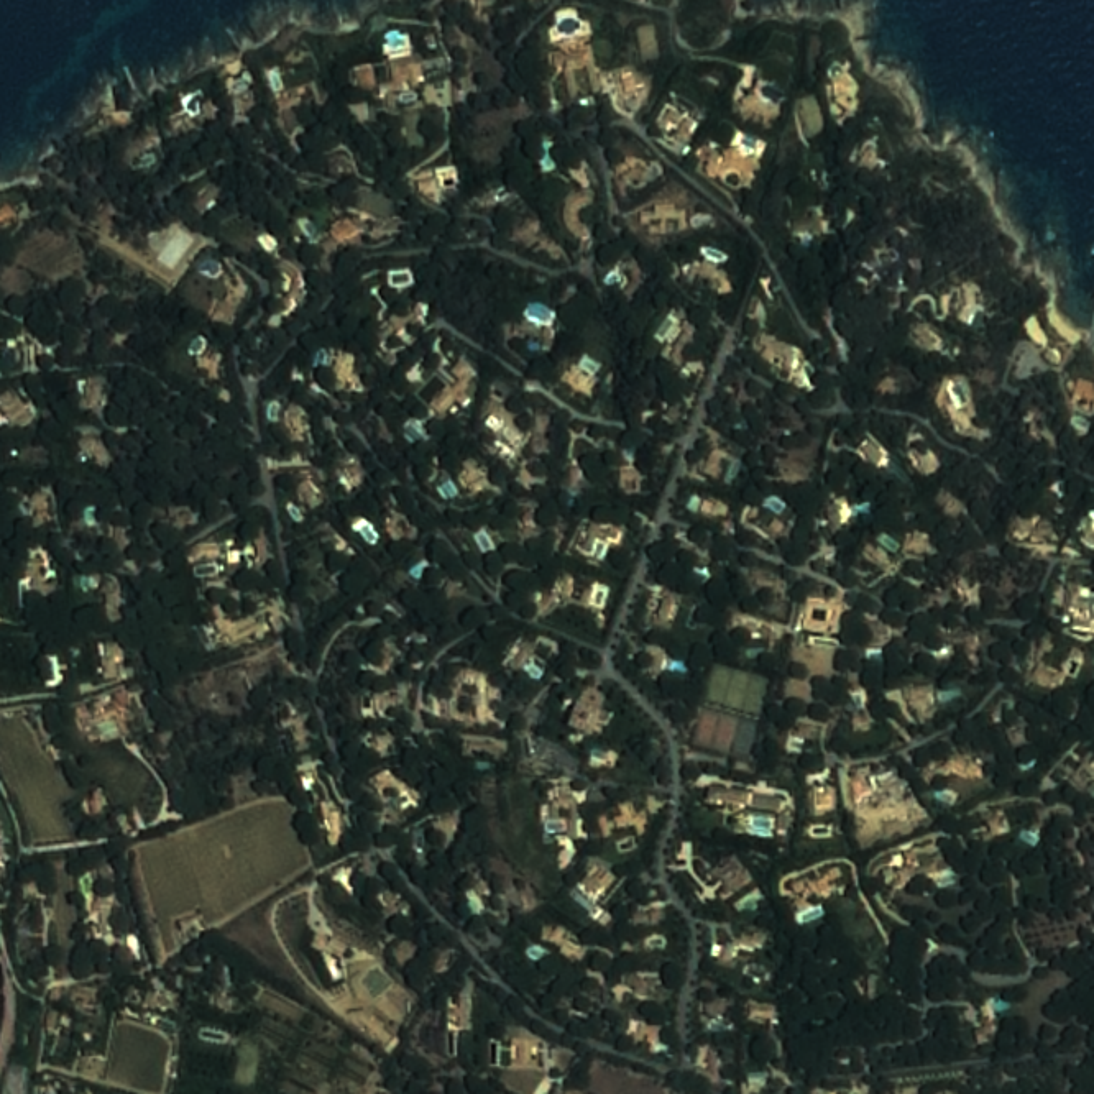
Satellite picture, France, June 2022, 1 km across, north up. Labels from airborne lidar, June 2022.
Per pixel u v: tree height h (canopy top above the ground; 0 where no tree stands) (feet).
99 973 40
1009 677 41
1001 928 39
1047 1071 33
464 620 46
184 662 44
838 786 23
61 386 41
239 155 38
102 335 38
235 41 0
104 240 0
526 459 23
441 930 44
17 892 21
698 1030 27
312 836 36
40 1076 47
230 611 46
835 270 27
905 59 0
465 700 41
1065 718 38
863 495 38
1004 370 17
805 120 0
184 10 0
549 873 0
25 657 0
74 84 0
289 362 17
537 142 42
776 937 20
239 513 49
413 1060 37
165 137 27
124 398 47
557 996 42
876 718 39
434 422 30
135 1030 0
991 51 0
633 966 36
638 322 39
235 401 24
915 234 19
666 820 30
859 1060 36
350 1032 30
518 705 26
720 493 20
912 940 39
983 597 34
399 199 39
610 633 28
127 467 51
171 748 32
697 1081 44
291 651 45
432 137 38
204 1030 0
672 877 24
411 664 34
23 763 0
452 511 33
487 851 39
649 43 0
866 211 38
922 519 33
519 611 37
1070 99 0
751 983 27
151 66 0
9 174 0
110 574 47
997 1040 30
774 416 29
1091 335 0
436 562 53
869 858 28
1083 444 43
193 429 46
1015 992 31
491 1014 0
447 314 29
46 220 20
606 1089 0
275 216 39
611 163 29
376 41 0
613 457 46
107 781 0
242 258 37
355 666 42
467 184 37
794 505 38
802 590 38
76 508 45
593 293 27
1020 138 0
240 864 0
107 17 0
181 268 0
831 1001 36
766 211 35
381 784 0
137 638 41
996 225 31
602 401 48
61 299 49
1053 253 0
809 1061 40
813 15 0
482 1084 32
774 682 24
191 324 44
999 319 27
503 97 45
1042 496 24
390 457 19
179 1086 20
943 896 33
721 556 40
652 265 27
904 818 0
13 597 0
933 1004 25
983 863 30
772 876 26
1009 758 35
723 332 30
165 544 43
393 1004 0
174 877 0
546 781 38
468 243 23
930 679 29
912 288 49
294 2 0
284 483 43
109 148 45
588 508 40
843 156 32
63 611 45
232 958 46
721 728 0
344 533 22
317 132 55
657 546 39
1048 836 33
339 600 20
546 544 42
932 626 35
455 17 25
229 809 32
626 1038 34
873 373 37
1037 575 31
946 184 0
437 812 44
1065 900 36
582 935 28
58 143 52
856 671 44
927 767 37
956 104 0
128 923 32
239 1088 18
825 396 25
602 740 38
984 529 34
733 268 27
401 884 36
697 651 38
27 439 44
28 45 0
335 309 25
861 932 0
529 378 39
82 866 41
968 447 32
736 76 19
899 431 30
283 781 44
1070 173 0
